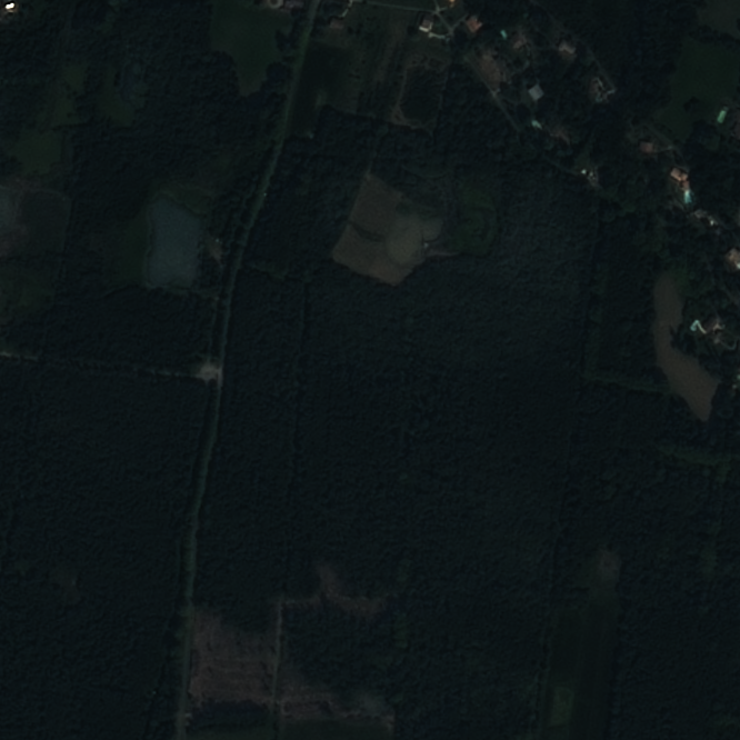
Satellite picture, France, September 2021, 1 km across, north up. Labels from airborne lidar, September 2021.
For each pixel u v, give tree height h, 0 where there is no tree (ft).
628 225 73
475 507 32
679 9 77
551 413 66
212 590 51
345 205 29
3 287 0
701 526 63
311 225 39
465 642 46
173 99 41
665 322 0
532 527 49
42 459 20
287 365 45
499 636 50
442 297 31
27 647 50
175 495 52
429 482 42
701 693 74
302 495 53
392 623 69
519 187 38
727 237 43
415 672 35
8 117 22
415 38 41
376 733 0
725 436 64
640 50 20
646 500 57
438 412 64
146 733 49
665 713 73
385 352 39
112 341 50
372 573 34
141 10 60
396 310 33
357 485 52
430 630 38
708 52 0
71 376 29
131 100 0
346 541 22
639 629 60
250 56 0
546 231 23
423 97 18
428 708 42
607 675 0
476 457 53
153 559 43
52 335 41
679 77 0
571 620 0
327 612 62
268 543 34
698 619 78
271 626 26
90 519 27
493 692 39
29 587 41
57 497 36
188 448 33
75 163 21
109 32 41
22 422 49
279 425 58
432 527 51
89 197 25
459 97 52
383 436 72
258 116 80
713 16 0
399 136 32
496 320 34
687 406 54
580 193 62
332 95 0
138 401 34
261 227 41
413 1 0
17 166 20
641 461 64
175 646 80
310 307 45
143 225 0
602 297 59
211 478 40
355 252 0
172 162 40
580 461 59
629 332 65
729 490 53
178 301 33
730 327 71
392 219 0
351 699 47
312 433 58
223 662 0
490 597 60
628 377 85
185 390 36
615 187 71
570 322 45
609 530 47
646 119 50
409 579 41
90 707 52
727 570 49
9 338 23
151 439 37
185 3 66
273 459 59
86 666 43
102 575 23
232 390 34
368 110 18
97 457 22
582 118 36
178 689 32
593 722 0
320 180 46
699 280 89
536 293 27
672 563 45
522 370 52
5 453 37
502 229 25
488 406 52
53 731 60
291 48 65
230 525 37
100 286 29
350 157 29
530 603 46
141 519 33
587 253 58
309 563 51
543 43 25
